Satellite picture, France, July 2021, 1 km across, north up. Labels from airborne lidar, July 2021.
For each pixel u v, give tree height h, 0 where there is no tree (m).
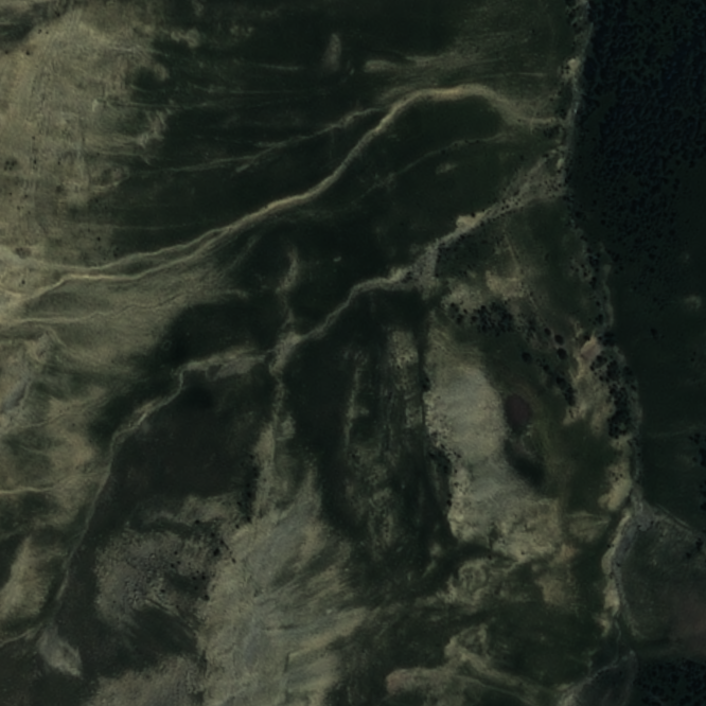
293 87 0
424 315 0
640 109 27
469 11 0
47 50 0
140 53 0
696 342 0
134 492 0
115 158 0
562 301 0
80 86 0
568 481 0
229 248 0
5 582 0
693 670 12
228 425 0
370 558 0
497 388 0
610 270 0
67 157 0
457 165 0
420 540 0
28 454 0
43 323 0
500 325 7
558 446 0
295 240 0
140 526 0
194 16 0
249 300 0
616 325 0
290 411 0
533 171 0
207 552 0
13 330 0
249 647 0
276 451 0
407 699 0
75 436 0
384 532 0
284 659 0
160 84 0
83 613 0
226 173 0
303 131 0
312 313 0
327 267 0
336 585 0
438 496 0
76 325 0
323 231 0
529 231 0
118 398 0
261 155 0
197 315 0
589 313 0
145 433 0
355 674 0
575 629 0
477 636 0
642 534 0
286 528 0
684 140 13
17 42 0
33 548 0
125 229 0
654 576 0
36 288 0
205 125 0
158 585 0
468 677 0
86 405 0
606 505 0
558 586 0
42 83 0
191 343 0
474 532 0
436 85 0
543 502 0
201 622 0
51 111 0
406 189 0
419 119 0
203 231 0
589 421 0
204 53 0
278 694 0
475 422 0
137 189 0
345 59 0
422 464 0
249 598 0
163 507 0
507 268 0
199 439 0
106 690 0
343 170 0
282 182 0
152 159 0
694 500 0
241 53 0
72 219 0
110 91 0
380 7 0
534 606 0
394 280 0
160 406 0
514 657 0
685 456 0
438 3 0
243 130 0
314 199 0
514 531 0
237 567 0
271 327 0
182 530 0
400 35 0
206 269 0
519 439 0
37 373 0
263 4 0
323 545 0
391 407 0
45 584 0
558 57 0
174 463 0
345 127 0
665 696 10
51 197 0
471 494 0
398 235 0
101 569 0
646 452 0
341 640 0
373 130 0
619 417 15
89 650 0
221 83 0
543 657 0
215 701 0
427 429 0
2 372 0
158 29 0
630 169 19
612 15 20
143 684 0
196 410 0
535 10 0
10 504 0
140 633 0
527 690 0
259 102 0
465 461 0
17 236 0
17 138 0
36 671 0
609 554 0
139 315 0
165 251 0
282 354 0
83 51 0
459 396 0
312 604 0
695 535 0
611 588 0
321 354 0
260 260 0
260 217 0
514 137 0
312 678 0
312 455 0
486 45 0
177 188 0
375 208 0
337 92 0
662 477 0
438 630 0
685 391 0
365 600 0
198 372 0
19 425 0
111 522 0
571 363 0
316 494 0
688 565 0
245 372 0
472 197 0
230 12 0
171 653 0
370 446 0
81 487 0
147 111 0
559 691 0
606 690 0
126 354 0
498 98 0
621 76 23
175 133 0
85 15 0
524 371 0
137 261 0
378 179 0
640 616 0
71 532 0
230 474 0
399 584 0
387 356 0
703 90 23
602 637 0
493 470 0
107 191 0
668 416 0
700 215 0
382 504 0
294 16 0
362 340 0
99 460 0
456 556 0
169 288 0
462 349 0
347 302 0
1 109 0
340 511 0
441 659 0
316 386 0
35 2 0
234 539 0
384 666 0
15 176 0
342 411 0
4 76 0
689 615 0
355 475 0
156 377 0
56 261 0
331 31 0
